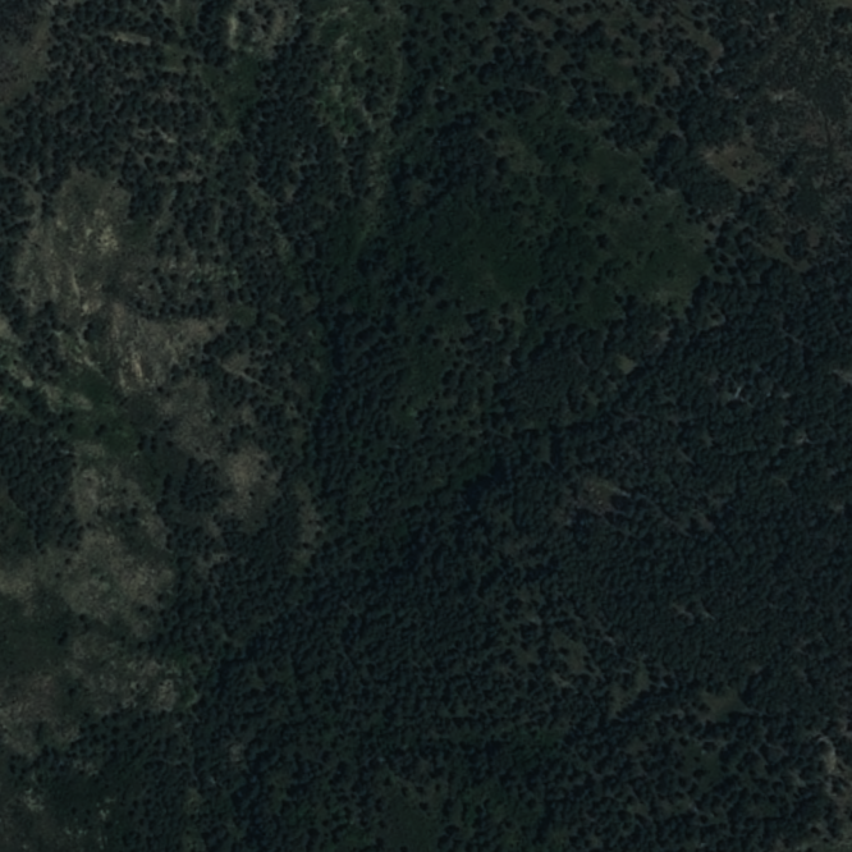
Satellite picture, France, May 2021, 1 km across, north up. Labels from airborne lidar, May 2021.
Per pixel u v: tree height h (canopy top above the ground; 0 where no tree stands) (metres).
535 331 16
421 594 22
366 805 23
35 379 15
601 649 19
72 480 6
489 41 12
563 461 35
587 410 30
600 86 17
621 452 37
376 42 12
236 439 15
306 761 16
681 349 32
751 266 21
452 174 28
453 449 23
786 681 27
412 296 29
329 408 20
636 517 33
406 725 20
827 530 27
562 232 19
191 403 0
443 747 10
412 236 10
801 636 24
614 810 21
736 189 31
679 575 26
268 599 25
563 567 37
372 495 6
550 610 15
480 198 20
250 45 12
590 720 24
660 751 13
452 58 21
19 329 24
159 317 15
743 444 26
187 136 26
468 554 19
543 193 15
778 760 22
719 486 28
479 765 28
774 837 21
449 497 21
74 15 10
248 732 21
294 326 30
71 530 16
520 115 23
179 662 8
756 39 24
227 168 17
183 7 0
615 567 31
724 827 10
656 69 15
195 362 21
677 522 28
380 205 7
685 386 28
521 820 7
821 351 26
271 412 17
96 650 0
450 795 5
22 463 23
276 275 18
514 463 31
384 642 21
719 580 27
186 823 16
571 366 29
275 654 25
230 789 20
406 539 11
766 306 27
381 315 8
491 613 17
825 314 22
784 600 20
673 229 11
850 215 10
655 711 25
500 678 18
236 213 29
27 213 26
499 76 29
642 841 23
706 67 21
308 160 21
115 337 0
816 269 14
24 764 20
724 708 0
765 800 13
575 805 25
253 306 19
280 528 20
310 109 24
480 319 23
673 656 29
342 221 23
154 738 22
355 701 21
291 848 28
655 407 25
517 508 41
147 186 25
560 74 7
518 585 18
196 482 17
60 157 25
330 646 21
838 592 26
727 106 28
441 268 6
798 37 7
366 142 13
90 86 21
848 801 0
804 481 27
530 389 28
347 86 8
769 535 30
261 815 25
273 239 13
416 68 23
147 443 21
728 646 28
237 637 27
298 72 26
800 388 21
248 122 8
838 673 29
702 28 24
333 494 22
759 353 24
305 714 9
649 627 20
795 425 19
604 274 12
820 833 21
